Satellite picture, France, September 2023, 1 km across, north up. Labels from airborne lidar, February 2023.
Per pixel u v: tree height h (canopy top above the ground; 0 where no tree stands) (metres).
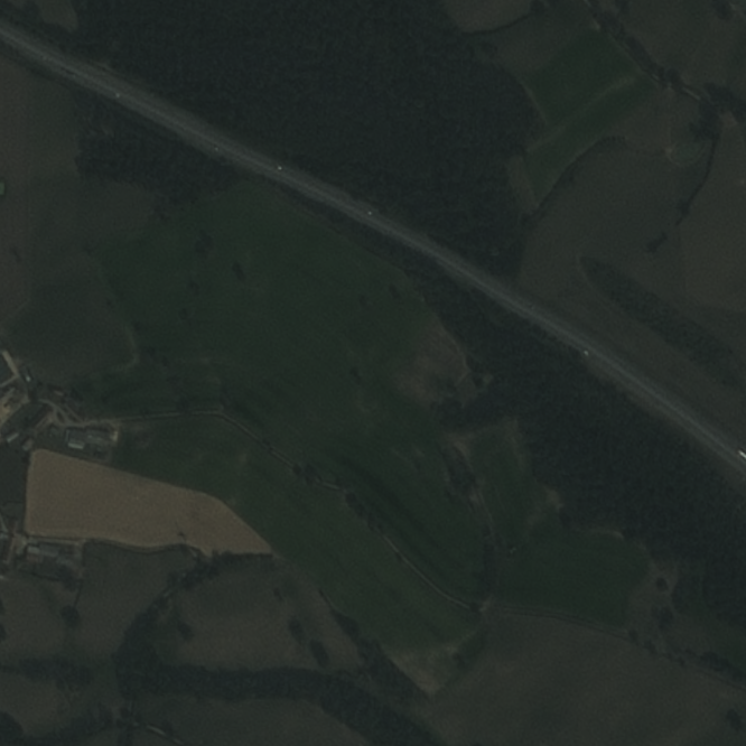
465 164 16
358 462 0
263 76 24
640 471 24
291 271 0
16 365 0
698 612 0
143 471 0
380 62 18
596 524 12
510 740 0
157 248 0
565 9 0
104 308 0
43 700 0
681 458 13
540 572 0
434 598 0
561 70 0
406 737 23
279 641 0
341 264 0
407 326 0
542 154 0
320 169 9
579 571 0
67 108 0
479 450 0
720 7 23
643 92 0
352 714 19
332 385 0
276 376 0
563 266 0
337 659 0
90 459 0
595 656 0
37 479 0
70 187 0
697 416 0
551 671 0
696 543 8
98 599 0
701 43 0
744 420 0
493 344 22
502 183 19
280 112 21
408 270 7
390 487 0
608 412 18
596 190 0
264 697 8
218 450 0
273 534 0
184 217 0
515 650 0
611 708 0
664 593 0
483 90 22
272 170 0
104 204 0
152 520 0
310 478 15
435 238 7
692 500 17
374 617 0
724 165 0
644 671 0
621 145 0
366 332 0
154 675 21
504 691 0
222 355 0
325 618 0
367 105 24
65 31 10
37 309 0
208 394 0
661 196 0
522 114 23
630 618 0
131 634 14
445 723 0
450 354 0
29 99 0
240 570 0
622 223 0
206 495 0
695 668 0
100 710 0
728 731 0
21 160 0
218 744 0
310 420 0
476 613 12
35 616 0
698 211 0
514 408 15
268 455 0
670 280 0
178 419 0
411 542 0
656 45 0
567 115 0
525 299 0
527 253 0
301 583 0
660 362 0
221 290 0
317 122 21
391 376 0
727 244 0
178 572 0
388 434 0
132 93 0
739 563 20
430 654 0
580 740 0
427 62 26
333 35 21
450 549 0
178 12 20
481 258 17
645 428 9
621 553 0
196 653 0
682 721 0
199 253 14
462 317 22
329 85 20
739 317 0
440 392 0
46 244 0
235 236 0
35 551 0
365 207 0
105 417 0
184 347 0
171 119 0
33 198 0
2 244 0
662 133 0
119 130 20
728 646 0
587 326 0
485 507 0
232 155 0
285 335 0
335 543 0
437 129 7
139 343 0
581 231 0
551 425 26
